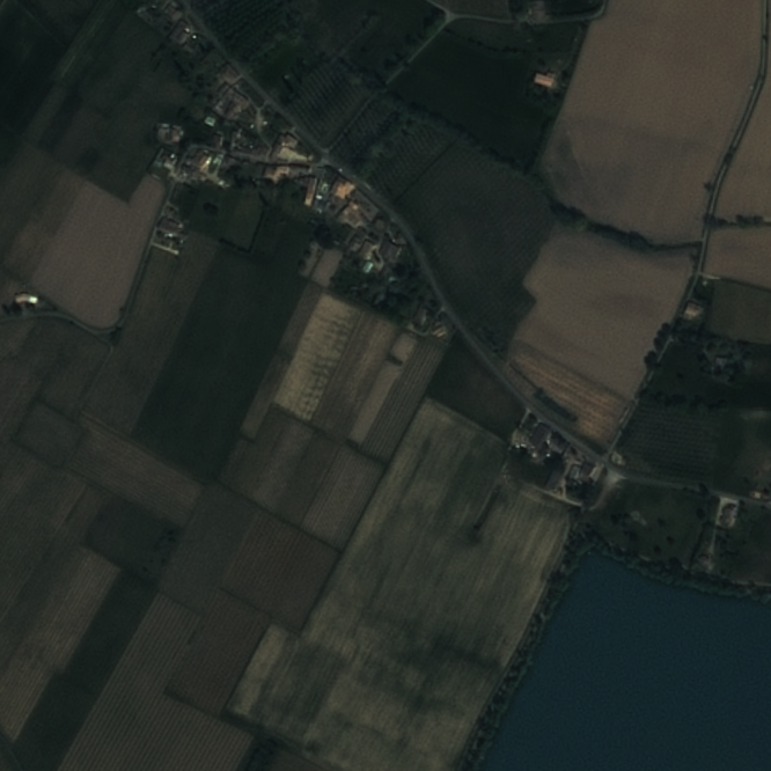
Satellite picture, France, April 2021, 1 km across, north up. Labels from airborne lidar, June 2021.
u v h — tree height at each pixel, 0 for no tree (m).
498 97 0
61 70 0
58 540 0
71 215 0
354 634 0
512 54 8
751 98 0
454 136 19
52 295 0
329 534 0
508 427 0
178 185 0
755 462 0
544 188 6
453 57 0
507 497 0
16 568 0
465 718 0
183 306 0
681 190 0
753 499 0
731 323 0
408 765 0
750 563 0
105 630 0
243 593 0
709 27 0
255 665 0
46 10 0
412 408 0
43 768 0
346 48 10
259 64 24
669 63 0
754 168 0
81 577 0
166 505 0
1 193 0
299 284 0
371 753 0
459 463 0
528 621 0
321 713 0
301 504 0
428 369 0
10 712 0
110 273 0
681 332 9
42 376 0
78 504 0
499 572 0
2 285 0
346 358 0
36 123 0
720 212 0
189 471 0
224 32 26
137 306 0
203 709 0
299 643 0
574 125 0
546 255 0
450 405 0
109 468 0
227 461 0
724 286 0
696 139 0
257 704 0
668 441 18
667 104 0
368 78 18
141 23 0
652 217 0
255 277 0
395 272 7
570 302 0
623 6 0
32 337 0
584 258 0
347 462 0
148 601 0
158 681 0
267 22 24
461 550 0
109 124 0
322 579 0
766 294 0
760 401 0
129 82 0
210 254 0
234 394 0
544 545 0
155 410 0
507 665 0
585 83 0
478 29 0
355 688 0
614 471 0
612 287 0
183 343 0
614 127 0
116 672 0
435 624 0
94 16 0
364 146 20
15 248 0
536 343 0
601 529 0
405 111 19
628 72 0
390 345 0
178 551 0
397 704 0
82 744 0
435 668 0
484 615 0
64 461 0
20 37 0
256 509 0
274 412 0
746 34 0
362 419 0
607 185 0
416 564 0
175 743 0
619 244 13
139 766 0
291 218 0
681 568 21
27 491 0
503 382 0
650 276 0
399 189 22
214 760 0
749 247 0
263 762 10
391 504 0
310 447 0
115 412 0
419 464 0
